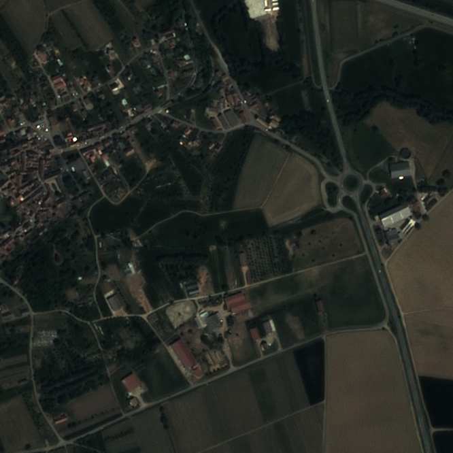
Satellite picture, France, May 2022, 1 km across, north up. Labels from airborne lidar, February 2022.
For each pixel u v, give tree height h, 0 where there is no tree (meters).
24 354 0
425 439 0
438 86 0
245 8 16
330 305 0
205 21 0
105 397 0
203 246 0
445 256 0
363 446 0
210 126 0
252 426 0
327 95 0
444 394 0
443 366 0
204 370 0
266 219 0
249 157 0
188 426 0
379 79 0
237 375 0
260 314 0
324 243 0
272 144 0
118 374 0
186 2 15
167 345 0
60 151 0
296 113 0
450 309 0
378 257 0
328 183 0
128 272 0
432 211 0
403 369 0
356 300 0
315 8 0
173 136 0
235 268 0
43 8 0
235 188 0
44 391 9
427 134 0
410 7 0
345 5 0
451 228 0
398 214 0
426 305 0
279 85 0
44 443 0
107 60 0
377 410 0
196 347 0
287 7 0
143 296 0
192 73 0
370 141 0
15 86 0
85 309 13
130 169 0
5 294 9
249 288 0
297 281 0
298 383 0
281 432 0
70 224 0
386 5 0
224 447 0
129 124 0
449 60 0
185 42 0
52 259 0
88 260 0
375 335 0
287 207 0
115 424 0
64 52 0
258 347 0
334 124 0
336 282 0
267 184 0
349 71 0
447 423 0
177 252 0
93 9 0
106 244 0
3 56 0
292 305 0
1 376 0
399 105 18
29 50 0
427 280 0
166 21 0
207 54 12
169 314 0
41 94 0
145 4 0
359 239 0
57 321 0
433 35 0
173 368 0
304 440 0
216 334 0
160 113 0
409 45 0
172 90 0
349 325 0
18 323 0
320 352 0
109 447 0
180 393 0
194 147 0
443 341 0
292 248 0
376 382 0
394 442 0
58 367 0
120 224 0
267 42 0
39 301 8
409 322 0
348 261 0
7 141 7
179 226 0
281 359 0
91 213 0
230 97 0
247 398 0
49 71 0
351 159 0
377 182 0
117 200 0
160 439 0
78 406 0
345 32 0
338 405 0
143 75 0
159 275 0
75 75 0
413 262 0
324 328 0
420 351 0
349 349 0
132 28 0
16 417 0
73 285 6
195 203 0
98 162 0
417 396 0
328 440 0
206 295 0
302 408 0
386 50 0
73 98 0
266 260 0
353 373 0
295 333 0
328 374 0
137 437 0
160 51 11
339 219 0
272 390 0
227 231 0
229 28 0
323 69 0
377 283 0
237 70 7
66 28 0
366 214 0
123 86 0
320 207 0
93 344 7
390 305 0
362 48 0
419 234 0
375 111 0
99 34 0
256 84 0
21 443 0
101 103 10
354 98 12
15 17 0
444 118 12
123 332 0
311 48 0
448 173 13
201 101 5
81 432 0
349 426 0
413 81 0
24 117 0
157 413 0
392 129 0
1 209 0
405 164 0
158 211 0
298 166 0
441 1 0
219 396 0
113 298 0
